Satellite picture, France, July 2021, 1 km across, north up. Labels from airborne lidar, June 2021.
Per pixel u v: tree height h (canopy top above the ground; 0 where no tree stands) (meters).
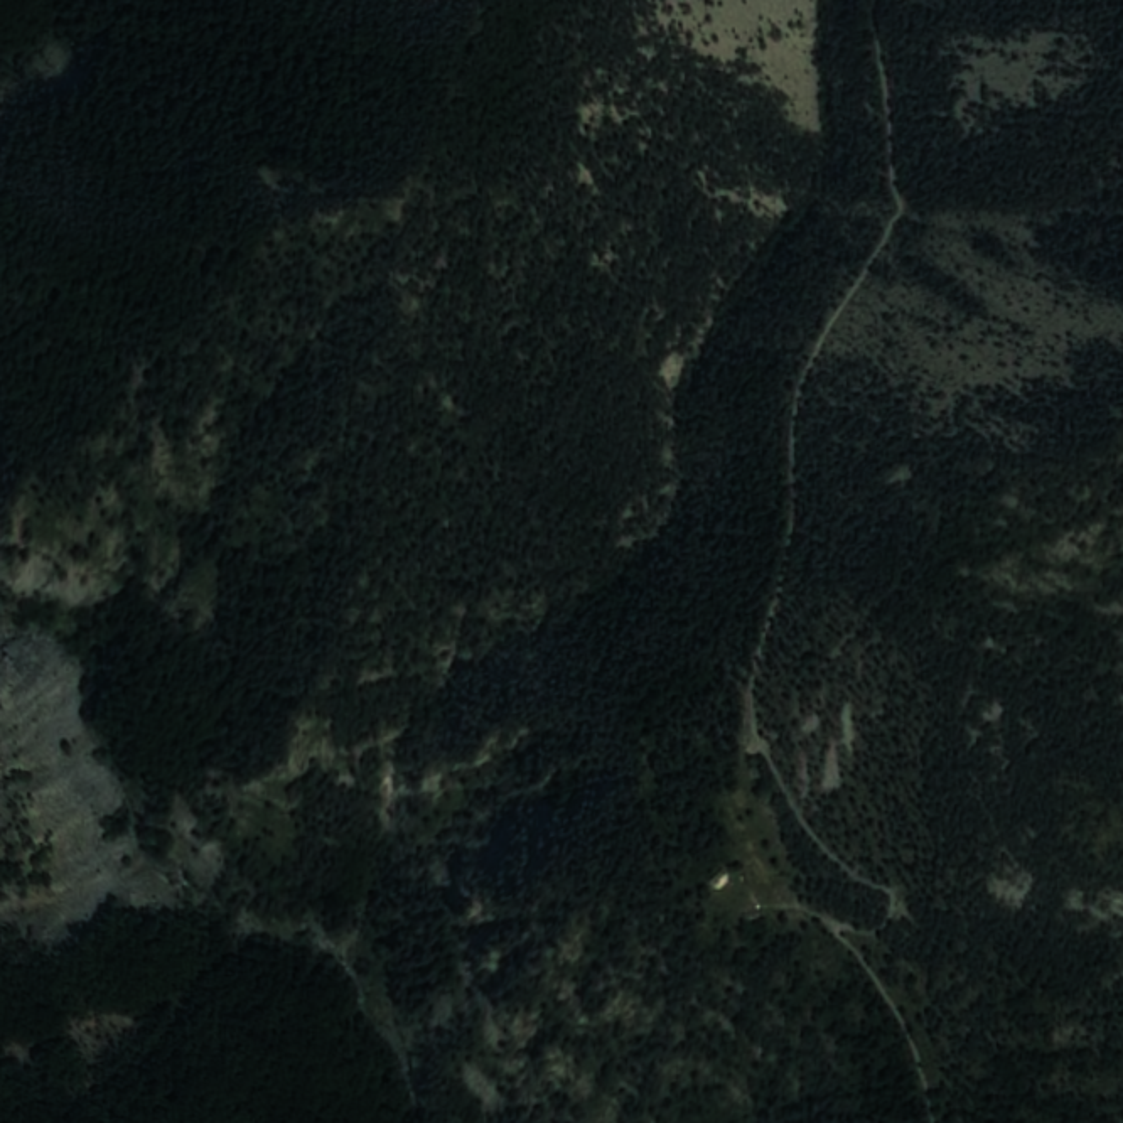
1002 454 6
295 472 8
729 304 7
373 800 16
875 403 6
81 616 19
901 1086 9
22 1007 17
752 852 0
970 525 8
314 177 7
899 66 7
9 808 8
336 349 12
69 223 11
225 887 11
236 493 7
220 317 8
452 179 10
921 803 10
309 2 20
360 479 11
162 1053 21
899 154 11
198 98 16
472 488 10
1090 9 11
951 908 9
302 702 9
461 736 8
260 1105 21
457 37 7
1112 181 14
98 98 19
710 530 13
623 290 16
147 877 0
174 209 16
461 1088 11
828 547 11
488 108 17
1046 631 8
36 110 15
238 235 17
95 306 23
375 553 8
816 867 13
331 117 18
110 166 24
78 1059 13
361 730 12
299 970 22
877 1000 8
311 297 11
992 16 8
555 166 12
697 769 13
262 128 11
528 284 12
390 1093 25
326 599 12
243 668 16
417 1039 7
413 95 14
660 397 6
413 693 13
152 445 7
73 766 0
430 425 13
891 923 10
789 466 7
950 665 12
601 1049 7
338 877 13
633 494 9
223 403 6
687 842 13
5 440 18
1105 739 13
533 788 8
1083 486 6
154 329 13
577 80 8
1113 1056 7
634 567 13
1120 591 11
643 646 13
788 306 12
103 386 13
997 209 8
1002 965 10
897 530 13
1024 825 8
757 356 14
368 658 8
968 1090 11
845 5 10
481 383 12
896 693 7
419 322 10
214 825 8
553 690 10
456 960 8
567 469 15
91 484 11
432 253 14
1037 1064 7
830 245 14
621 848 11
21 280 12
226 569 16
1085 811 8
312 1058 20
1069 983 12
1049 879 9
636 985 7
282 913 13
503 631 11
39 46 10
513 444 16
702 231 14
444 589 16
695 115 8
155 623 17
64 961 14
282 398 13
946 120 12
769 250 13
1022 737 8
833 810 9
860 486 9
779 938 9
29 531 14
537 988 11
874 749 12
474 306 13
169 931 23
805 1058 8
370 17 11
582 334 14
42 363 17
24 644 0
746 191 9
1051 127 12
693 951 10
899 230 7
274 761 9
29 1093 17
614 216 12
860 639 7
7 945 6
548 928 7
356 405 9
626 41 7
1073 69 7
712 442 8
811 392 6
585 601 21
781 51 0
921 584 16
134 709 20
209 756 7
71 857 0
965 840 10
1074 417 11
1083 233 11
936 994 7
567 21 13
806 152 10
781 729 7
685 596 17
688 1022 7
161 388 11
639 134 8
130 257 21
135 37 19
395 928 9
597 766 12
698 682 6
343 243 9
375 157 7
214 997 21
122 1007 16
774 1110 11
